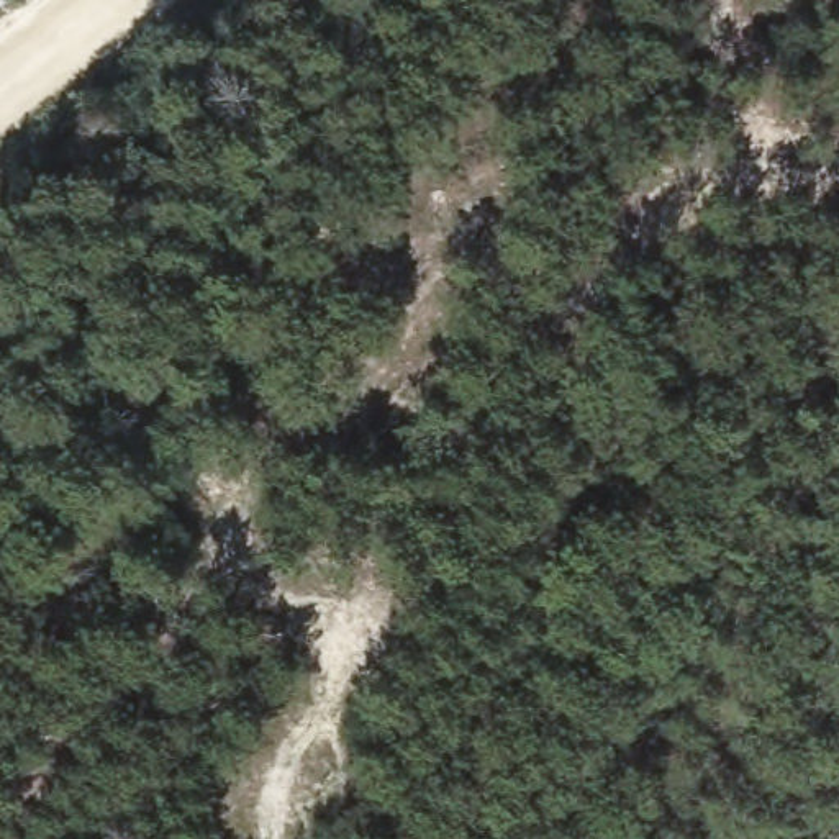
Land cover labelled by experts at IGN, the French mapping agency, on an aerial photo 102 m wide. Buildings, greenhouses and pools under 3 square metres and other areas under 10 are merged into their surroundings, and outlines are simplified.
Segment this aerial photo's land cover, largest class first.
<instances>
[{"label":"coniferous trees","instance_id":"1","mask_svg":"<svg viewBox=\"0 0 839 839\"><path fill-rule=\"evenodd\" d=\"M764 3L767 13L751 20L747 39L734 46V62H721L695 36L718 10L714 0H259L249 3L239 13V23L229 29V36H223L226 49L200 39H177L170 26H151L144 16H138L125 36L102 46L98 56L72 82H66L52 98H46L0 138V839H239L223 819L226 793L239 783L243 773L252 770V757H275L282 737L298 724L302 711L311 705V685L321 672V659L311 649L315 642L308 639L315 610L272 600L269 567L256 564V554L246 544V524L236 511L216 518L200 515L197 508V495L203 492L200 475L236 478L243 472H252L262 485L259 501L272 511V531L265 534V541L285 567L311 547H328L334 560H361L370 554L377 557V583L390 590L387 626L380 639L367 649L364 665H357L344 692V793H334L324 803H318L305 823L285 826V839H839V184L823 197L819 206H796L790 200L770 197L767 206H731L721 220H711L708 226L695 223L692 243H669L662 246V252L649 256H642L633 246L636 239L626 236V213L642 206V200L662 197L675 180H682L685 167L695 164V147L711 144L718 134H724L737 118H744V111L754 102L773 105L780 111L777 125H783L790 115L813 121L816 115H832L839 125V0H754ZM495 157H505L511 190L498 200L485 197L472 210L456 213V229L442 246L449 288L439 295V305L446 318L433 324L429 367L410 374V383L426 403V413L416 416L410 410L393 406L390 397L383 390H374L361 374L364 357H380L400 338L406 305L416 295V259L410 252L406 223L413 197L410 180L416 170H436L442 180H452L456 174Z\"/></svg>","mask_w":839,"mask_h":839},{"label":"pervious surface","instance_id":"2","mask_svg":"<svg viewBox=\"0 0 839 839\"><path fill-rule=\"evenodd\" d=\"M151 0H0V138L46 98H52L66 82H72L98 56L102 46L125 36L138 16H144ZM718 10L695 36L721 62H734V46L747 39L751 20L767 13L764 3L754 0H714ZM780 111L773 105L754 102L744 111V118H737L724 134H718L711 144L695 147V164L685 167L682 180H675L662 197L642 200V206L626 213V236L636 239L633 246L642 256H649L662 252V246L669 243H692L695 223L708 226L711 220H721L731 206H767L770 197L790 200L796 206H819L823 197L839 184V125L832 115H816L813 121L790 115L783 125H777ZM413 197L406 223L410 252L416 259V295L406 305L400 338L380 357H364L361 374L374 390H383L390 397L393 406L410 410L416 416L426 413V403L410 383V374L429 367L433 324L446 318L439 305V295L449 288L442 246L456 229V213L472 210L485 197L498 200L511 190L505 157H495L456 174L452 180H442L436 170H416L410 180ZM203 492L197 495V508L200 515L216 518L236 511L246 524V544L256 554V564L269 567L272 600L315 610L308 639L315 642L311 649L321 659V672L311 685V705L302 711L298 724L282 737L275 757H252V770L243 773L239 783L226 793L223 819L239 839H285V826L305 823L318 803H324L334 793H344V692L357 665H364L367 649L380 639L387 626L390 590L377 583V557L370 554L361 560H334L328 547H311L285 567L265 541V534L272 531V511L259 501L262 485L252 472H243L236 478L200 475Z\"/></svg>","mask_w":839,"mask_h":839},{"label":"herbaceous vegetation","instance_id":"3","mask_svg":"<svg viewBox=\"0 0 839 839\"><path fill-rule=\"evenodd\" d=\"M249 3L259 0H151L144 16L151 26H170L177 39H200L226 49L223 36H229V29L239 23V13Z\"/></svg>","mask_w":839,"mask_h":839}]
</instances>
